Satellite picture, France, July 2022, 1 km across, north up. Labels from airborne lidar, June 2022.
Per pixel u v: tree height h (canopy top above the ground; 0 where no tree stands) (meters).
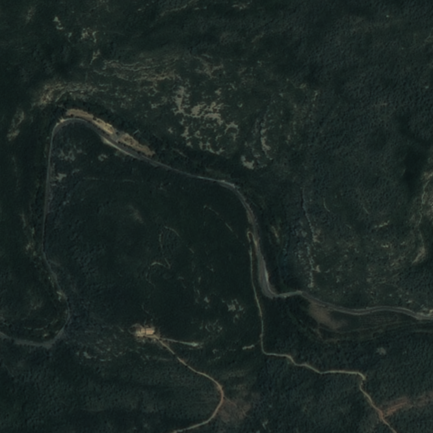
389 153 8
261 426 9
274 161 13
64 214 6
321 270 0
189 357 11
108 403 10
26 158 12
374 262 8
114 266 8
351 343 14
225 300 7
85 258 12
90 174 5
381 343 9
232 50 6
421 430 10
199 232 8
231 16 7
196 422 6
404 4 11
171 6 11
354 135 13
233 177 14
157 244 8
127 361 8
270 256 12
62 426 6
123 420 7
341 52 11
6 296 7
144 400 7
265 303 9
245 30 7
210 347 7
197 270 7
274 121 0
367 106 10
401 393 7
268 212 6
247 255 8
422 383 8
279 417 11
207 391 6
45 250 13
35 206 13
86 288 7
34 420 14
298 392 10
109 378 7
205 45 12
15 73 7
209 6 10
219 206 7
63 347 7
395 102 14
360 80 11
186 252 7
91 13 7
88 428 6
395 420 10
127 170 6
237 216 6
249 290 8
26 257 6
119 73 0
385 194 12
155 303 7
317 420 7
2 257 6
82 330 7
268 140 0
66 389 9
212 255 9
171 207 7
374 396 10
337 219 11
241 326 6
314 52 11
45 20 11
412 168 5
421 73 6
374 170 6
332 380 7
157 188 13
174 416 10
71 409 9
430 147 11
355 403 7
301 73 11
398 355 6
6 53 9
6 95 8
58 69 9
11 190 7
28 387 5
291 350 10
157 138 11
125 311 6
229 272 9
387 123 8
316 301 0
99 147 9
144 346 6
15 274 7
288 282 18
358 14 6
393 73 13
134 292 5
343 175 6
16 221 7
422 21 10
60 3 7
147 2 7
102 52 6
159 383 10
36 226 13
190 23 6
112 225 7
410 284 9
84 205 6
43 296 9
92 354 8
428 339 10
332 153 10
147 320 7
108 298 8
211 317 8
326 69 10
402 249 7
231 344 7
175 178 8
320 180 8
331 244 0
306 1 7
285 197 6
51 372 11
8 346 10
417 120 15
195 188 5
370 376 13
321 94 9
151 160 8
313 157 6
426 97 17
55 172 7
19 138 8
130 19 6
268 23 8
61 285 10
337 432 8
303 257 0
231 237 8
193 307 6
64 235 6
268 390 10
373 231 11
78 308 7
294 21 8
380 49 8
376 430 10
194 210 7
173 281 6
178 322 6
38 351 8
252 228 0
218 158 8
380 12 6
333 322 0
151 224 7
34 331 14
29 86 6
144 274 10
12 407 8
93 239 7
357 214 9
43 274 6
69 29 8
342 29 8
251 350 9
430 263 14
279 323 11
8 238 6
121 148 0
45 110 11
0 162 7
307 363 10
